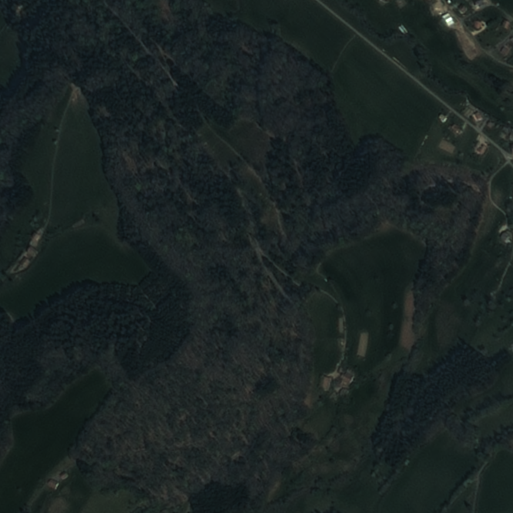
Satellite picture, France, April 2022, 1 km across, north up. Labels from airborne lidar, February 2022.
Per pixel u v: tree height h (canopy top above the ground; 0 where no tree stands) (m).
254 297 31
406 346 0
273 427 33
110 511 0
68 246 0
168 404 29
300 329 33
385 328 0
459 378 25
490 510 0
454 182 0
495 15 0
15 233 0
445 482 0
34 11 22
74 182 0
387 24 0
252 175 0
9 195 20
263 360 37
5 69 0
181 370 32
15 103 38
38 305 0
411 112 0
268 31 0
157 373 26
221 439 32
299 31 0
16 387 27
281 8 0
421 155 0
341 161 36
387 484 7
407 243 0
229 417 29
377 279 11
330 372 0
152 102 36
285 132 30
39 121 24
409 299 0
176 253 36
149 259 27
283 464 36
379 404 0
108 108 26
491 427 0
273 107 39
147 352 20
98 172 0
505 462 0
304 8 0
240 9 0
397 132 0
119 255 0
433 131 0
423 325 24
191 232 27
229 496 31
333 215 42
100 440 32
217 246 34
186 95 21
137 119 33
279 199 34
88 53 30
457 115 0
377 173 30
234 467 34
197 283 33
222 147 0
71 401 0
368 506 0
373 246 0
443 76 0
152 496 27
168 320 19
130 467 34
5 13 22
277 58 35
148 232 34
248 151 0
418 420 22
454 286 0
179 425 31
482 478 0
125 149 35
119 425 32
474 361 23
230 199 44
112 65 36
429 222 32
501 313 0
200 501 29
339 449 0
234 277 30
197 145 25
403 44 0
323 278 0
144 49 19
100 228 0
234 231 36
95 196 0
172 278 31
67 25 32
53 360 29
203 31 34
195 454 26
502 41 0
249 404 31
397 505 0
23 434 0
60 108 0
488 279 0
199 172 30
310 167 15
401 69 0
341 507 0
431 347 0
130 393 29
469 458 0
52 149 0
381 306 0
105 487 31
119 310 19
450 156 0
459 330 0
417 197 12
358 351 0
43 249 0
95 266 0
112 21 17
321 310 0
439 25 0
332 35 0
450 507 13
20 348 28
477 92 0
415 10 0
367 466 0
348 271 0
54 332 32
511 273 0
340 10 0
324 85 34
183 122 31
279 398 33
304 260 36
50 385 29
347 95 0
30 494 0
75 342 31
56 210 0
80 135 0
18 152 29
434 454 0
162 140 26
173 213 32
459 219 28
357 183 34
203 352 27
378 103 0
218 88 38
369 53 0
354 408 0
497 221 0
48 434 0
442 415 28
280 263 7
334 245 29
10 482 0
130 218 23
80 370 21
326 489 0
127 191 28
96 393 0
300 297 30
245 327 27
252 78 33
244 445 34
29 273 0
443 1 0
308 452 34
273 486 27
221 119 28
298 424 33
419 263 0
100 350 23
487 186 28
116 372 33
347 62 0
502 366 21
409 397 22
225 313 25
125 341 35
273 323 32
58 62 24
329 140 33
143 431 31
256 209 35
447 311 0
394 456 18
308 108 18
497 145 0
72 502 0
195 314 26
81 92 0
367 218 34
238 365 35
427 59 15
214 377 32
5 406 28
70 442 0
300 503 0
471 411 7
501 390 0
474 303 0
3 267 0
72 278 0
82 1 32
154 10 7
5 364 26
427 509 0
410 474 0
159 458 32
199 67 39
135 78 32
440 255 30
